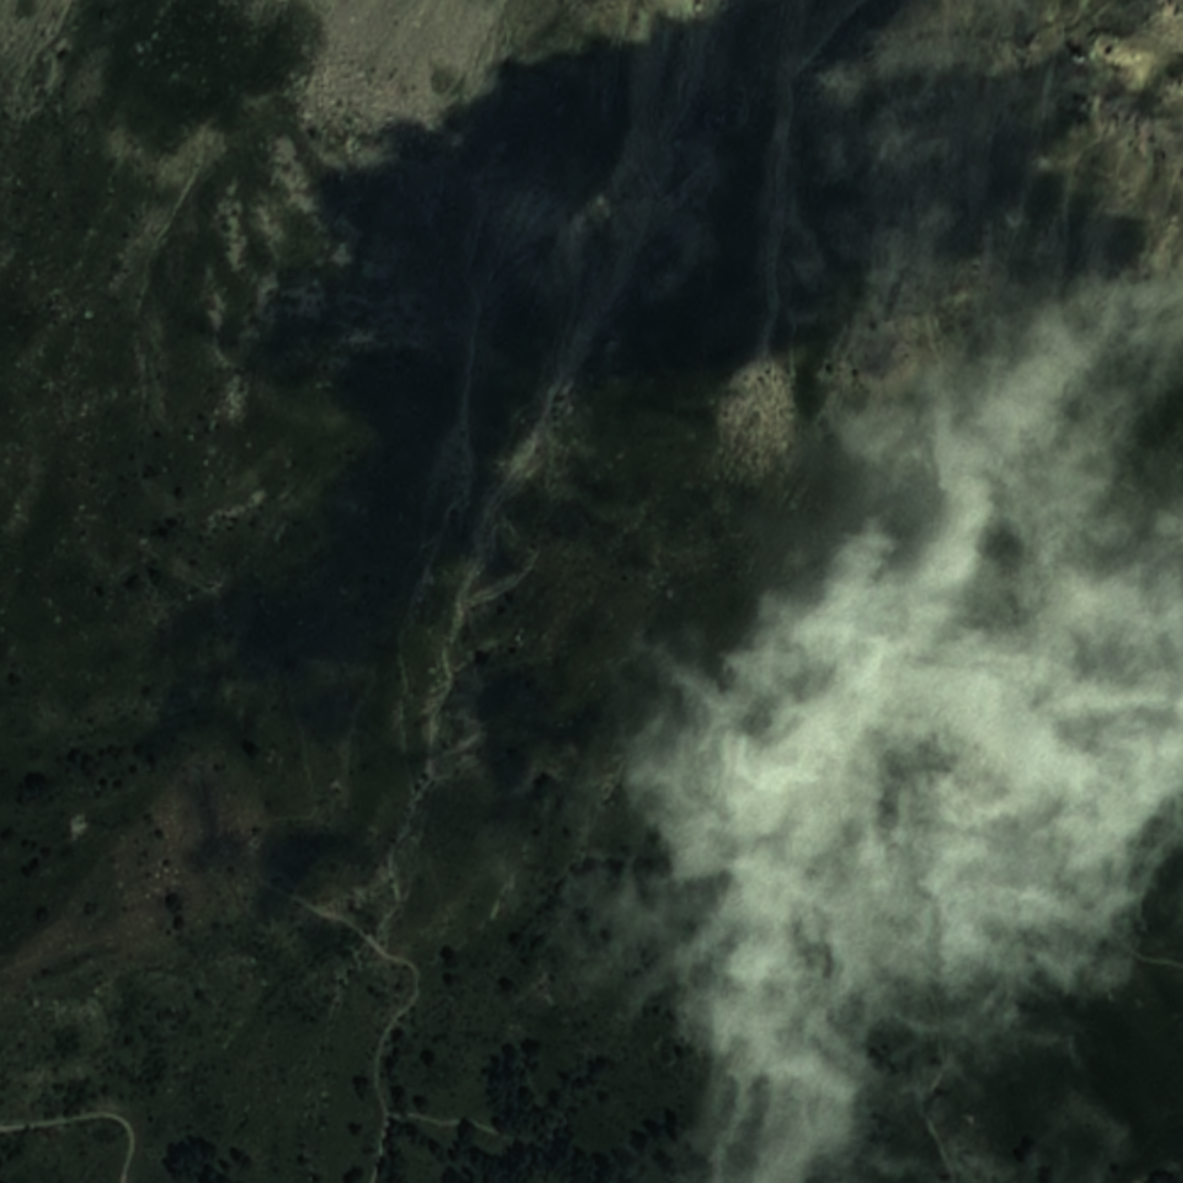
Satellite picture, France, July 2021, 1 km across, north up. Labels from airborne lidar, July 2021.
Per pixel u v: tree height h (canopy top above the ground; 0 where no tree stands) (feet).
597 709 0
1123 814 0
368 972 0
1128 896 0
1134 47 0
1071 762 0
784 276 0
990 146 0
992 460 0
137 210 0
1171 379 0
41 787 69
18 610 0
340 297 0
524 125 0
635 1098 0
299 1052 0
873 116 0
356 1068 0
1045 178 0
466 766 0
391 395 0
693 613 0
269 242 0
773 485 0
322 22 0
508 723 0
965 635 0
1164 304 0
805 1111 81
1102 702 0
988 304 0
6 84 0
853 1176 0
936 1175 0
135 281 0
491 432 0
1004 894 0
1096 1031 0
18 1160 26
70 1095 22
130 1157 0
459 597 0
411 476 0
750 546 0
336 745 0
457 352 0
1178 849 0
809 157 0
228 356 0
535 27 0
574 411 0
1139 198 0
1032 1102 0
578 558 0
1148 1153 0
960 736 0
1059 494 0
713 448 0
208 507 0
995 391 0
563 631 0
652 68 0
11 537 0
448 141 0
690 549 0
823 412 0
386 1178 28
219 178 0
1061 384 0
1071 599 0
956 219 0
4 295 0
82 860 0
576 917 35
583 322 0
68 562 0
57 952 0
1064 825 0
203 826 0
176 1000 0
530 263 0
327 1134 0
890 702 0
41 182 0
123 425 0
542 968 0
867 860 0
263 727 0
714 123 0
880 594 0
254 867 0
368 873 0
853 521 0
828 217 0
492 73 0
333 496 0
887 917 0
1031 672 0
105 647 0
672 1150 0
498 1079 75
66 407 0
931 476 0
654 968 74
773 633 0
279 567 0
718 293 0
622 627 0
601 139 0
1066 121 0
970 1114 0
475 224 0
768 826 0
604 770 0
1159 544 0
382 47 0
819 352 0
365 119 0
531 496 0
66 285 0
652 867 71
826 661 0
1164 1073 0
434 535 0
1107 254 0
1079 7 0
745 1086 63
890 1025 0
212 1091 0
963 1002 0
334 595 0
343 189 0
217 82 0
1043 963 0
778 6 0
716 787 0
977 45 0
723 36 0
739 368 0
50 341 0
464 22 0
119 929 0
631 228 0
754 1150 82
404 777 0
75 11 0
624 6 0
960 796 64
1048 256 0
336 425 0
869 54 0
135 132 0
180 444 0
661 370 0
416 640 0
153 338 0
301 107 0
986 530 0
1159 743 0
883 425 0
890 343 0
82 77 0
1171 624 0
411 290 0
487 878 0
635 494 0
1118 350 0
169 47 0
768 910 0
